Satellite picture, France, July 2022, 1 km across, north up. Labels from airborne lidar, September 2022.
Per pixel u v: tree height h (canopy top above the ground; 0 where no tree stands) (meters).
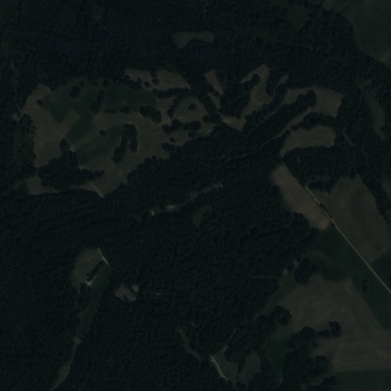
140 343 17
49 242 30
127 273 27
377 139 6
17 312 22
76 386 19
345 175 22
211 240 19
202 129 0
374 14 0
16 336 30
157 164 20
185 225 23
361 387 0
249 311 24
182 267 17
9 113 13
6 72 8
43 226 21
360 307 0
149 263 27
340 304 0
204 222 9
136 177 19
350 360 0
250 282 23
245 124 0
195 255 25
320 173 15
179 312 23
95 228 30
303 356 20
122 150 19
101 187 0
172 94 17
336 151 18
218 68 24
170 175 20
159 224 26
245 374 0
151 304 14
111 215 20
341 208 0
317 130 0
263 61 15
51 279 20
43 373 21
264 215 21
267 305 0
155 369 17
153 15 17
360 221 0
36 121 0
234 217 23
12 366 21
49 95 0
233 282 16
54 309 24
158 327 23
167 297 17
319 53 28
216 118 18
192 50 21
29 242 21
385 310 0
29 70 16
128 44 28
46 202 22
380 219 0
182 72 9
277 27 22
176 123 16
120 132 0
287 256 26
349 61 17
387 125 6
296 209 0
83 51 24
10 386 22
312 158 16
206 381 13
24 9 21
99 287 0
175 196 14
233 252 12
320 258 0
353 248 0
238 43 19
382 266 0
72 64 17
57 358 17
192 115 0
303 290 0
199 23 15
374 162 8
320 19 22
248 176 24
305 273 26
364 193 0
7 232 23
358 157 7
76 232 32
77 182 24
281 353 0
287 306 0
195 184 23
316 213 0
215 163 27
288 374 24
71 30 11
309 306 0
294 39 9
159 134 0
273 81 19
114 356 11
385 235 0
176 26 15
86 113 0
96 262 0
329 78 28
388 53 0
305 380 25
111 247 14
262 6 18
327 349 0
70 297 20
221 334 22
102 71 17
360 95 8
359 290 0
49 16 21
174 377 23
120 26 34
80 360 30
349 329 0
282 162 9
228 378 0
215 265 21
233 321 22
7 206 24
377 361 0
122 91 0
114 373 22
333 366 0
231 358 18
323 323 0
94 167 0
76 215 18
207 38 0
